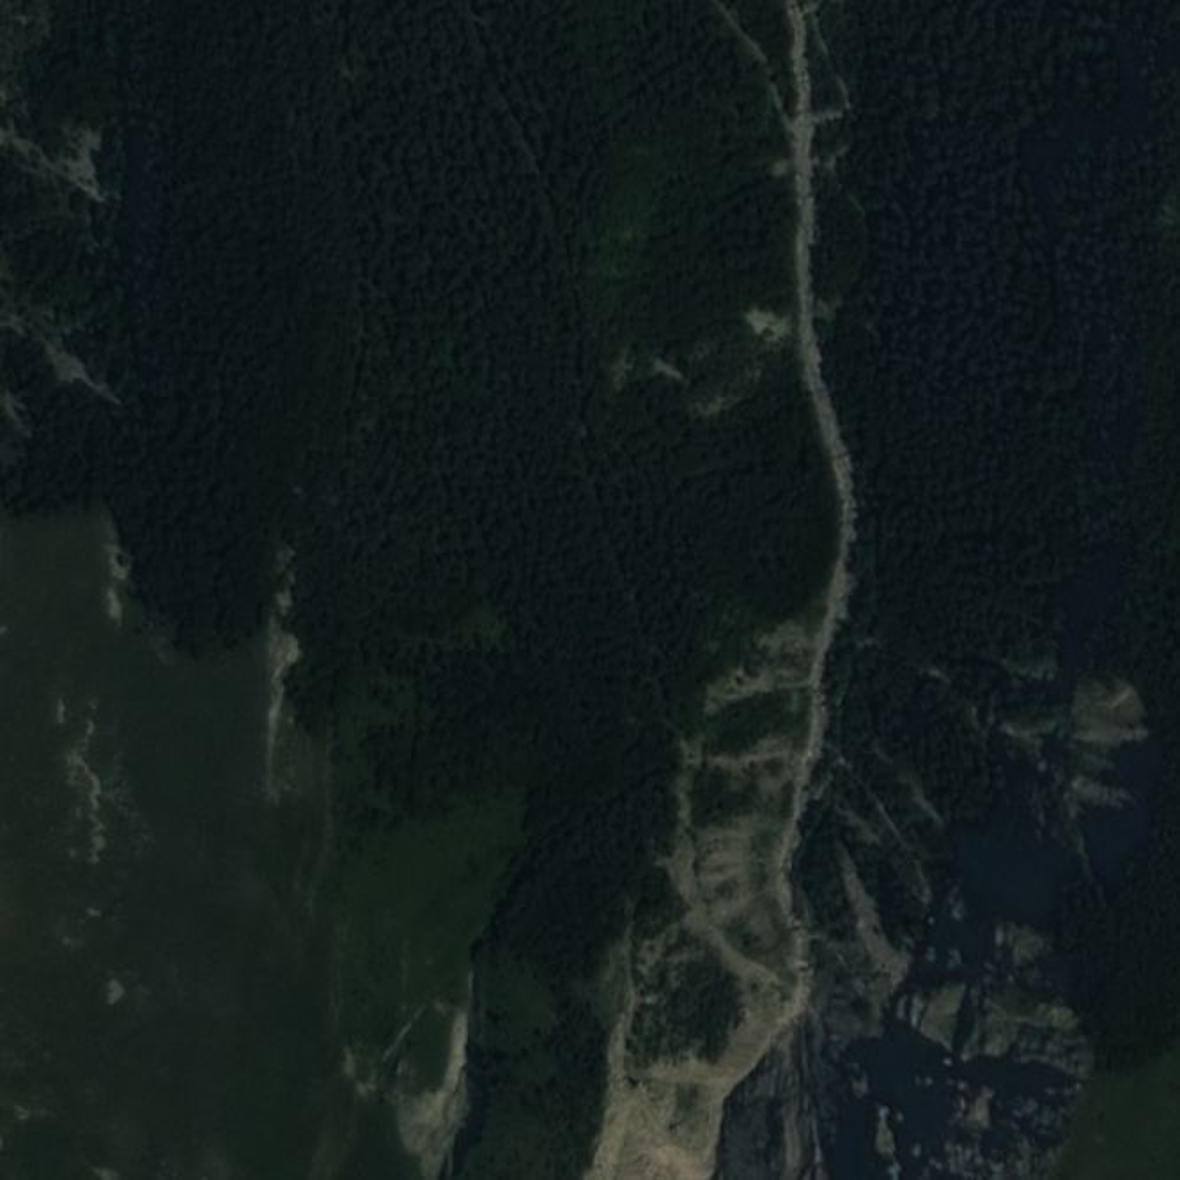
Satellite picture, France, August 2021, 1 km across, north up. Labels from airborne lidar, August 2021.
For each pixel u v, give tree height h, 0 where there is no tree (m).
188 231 11
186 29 17
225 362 19
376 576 20
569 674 23
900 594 19
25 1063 0
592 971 13
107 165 18
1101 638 8
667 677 19
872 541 7
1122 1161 0
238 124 13
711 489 17
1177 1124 0
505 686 14
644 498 28
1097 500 12
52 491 10
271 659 0
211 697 0
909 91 34
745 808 7
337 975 0
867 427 22
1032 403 23
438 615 15
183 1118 0
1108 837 0
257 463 21
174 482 18
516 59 29
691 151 21
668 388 21
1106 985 15
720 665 16
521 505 28
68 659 0
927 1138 0
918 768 9
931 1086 0
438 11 26
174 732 0
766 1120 0
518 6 30
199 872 0
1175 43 19
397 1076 0
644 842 27
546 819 13
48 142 14
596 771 17
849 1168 0
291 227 20
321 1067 0
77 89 24
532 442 29
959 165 26
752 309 9
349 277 14
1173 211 6
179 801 0
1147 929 19
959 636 27
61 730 0
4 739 0
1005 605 22
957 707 10
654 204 15
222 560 12
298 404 17
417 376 19
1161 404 15
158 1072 0
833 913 7
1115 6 28
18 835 0
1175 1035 9
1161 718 12
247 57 16
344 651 13
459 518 23
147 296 12
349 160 23
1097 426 15
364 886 0
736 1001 7
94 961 0
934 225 31
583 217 9
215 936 0
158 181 12
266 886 0
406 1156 0
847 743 10
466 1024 0
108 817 0
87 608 0
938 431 24
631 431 18
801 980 0
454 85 25
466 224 28
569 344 17
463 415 22
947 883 10
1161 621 20
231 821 0
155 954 0
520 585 19
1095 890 11
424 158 9
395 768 9
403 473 18
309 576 15
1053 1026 0
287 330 16
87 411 18
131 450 13
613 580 25
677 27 20
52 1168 0
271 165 17
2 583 0
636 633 23
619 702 29
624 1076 0
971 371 31
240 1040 0
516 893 11
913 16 22
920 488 23
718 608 11
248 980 0
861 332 19
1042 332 22
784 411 21
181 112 16
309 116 25
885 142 22
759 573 25
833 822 12
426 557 14
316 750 0
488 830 0
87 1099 0
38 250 10
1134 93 7
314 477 14
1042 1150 0
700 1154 0
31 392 12
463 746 15
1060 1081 0
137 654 0
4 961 0
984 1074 0
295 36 27
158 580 15
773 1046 0
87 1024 0
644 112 26
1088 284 20
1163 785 12
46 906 0
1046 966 0
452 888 0
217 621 9
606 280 10
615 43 19
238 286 21
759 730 8
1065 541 22
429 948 0
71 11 9
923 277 28
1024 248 21
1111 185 17
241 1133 0
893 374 26
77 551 0
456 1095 0
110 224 16
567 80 24
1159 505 20
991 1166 0
